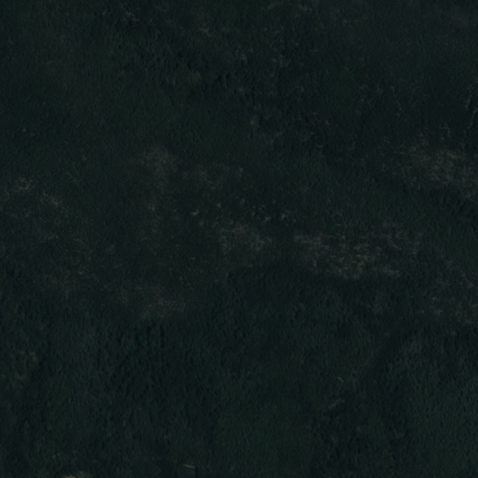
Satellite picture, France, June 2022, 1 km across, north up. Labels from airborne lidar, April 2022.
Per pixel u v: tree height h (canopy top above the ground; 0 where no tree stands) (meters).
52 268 6
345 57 14
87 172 10
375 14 7
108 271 7
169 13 9
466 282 7
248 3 17
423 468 16
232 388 14
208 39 15
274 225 17
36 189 6
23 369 20
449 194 12
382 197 13
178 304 7
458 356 9
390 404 10
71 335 17
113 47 18
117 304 10
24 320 20
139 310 6
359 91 10
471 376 14
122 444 22
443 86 18
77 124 12
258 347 12
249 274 15
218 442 16
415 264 10
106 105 10
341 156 18
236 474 14
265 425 16
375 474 21
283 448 14
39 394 23
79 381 15
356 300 14
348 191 10
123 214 10
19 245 8
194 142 12
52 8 12
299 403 17
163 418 20
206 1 7
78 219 9
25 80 16
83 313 11
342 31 8
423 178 11
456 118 18
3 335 16
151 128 11
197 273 8
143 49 17
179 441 18
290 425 17
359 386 9
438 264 10
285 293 16
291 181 13
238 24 14
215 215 14
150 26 23
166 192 9
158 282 12
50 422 17
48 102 12
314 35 9
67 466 12
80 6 13
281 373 20
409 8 7
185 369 23
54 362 20
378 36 11
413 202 18
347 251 7
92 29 19
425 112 18
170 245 11
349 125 12
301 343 15
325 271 15
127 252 10
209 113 16
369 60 13
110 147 9
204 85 20
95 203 10
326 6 6
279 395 18
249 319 13
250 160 16
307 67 9
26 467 11
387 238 9
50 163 10
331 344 19
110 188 12
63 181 10
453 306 11
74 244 11
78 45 8
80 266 6
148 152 6
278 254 15
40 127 15
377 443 15
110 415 19
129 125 8
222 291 8
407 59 10
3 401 10
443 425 16
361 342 9
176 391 20
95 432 16
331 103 18
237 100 18
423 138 7
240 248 8
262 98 26
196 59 21
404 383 13
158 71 22
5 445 13
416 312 8
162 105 13
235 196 13
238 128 17
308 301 19
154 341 24
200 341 10
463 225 20
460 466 9
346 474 23
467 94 14
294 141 21
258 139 18
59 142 11
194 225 13
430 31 7
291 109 19
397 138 15
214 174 8
